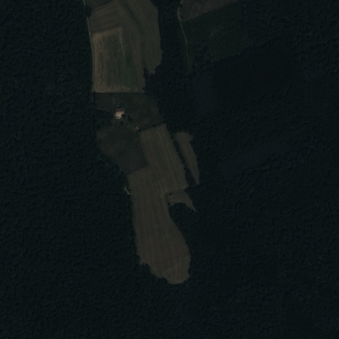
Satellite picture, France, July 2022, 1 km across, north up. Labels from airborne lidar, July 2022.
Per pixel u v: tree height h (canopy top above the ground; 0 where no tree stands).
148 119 0
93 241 23
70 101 25
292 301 20
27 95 22
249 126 27
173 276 0
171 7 22
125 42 0
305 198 26
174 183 0
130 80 0
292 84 22
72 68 26
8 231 18
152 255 0
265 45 21
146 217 0
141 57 0
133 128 0
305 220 21
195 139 15
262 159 16
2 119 25
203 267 22
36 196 25
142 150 6
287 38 16
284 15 24
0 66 22
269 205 26
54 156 27
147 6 0
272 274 8
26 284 28
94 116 16
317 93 20
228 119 28
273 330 24
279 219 24
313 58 22
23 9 24
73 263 20
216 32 0
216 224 24
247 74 19
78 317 25
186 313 23
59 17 21
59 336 21
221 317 20
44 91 24
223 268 25
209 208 22
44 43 21
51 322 25
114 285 24
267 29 25
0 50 24
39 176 28
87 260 26
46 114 28
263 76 24
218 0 0
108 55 0
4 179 21
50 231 27
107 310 28
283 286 7
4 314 23
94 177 18
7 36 26
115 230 25
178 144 13
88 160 23
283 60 23
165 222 0
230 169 19
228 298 26
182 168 0
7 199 20
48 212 25
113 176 25
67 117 24
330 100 22
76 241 25
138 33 0
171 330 31
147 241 0
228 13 0
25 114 25
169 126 13
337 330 7
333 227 25
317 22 23
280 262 22
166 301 28
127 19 0
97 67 0
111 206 23
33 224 26
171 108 21
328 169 17
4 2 21
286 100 23
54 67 26
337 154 13
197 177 0
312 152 29
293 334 15
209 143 22
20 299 27
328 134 19
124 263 24
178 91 21
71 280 25
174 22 22
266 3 27
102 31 0
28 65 20
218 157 15
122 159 0
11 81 19
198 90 19
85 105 23
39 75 25
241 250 22
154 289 21
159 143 0
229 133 27
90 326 22
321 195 25
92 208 17
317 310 25
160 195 0
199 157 18
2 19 16
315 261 24
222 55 0
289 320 8
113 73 0
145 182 0
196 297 21
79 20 22
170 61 23
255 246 26
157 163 0
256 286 12
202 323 22
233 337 22
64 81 27
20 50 9
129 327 22
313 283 26
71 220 23
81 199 24
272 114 27
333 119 24
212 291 21
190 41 0
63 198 22
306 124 21
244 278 17
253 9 27
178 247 0
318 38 28
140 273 20
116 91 0
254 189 24
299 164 26
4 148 25
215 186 22
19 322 22
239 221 23
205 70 18
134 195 0
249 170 22
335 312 21
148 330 23
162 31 16
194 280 17
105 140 0
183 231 17
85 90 23
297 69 17
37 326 25
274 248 22
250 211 21
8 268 25
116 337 18
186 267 0
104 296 22
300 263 20
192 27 0
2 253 23
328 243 26
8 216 27
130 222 21
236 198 23
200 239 21
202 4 0
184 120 18
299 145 18
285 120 24
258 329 22
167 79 24
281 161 25
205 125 22
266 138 19
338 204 25
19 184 26
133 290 24
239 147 25
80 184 23
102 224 23
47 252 11
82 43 24
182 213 22
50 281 17
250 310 16
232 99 23
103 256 23
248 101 17
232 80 22
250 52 20
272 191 22
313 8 27
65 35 22
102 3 0
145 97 0
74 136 22
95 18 0
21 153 22
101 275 23
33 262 23
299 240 26
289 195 27
